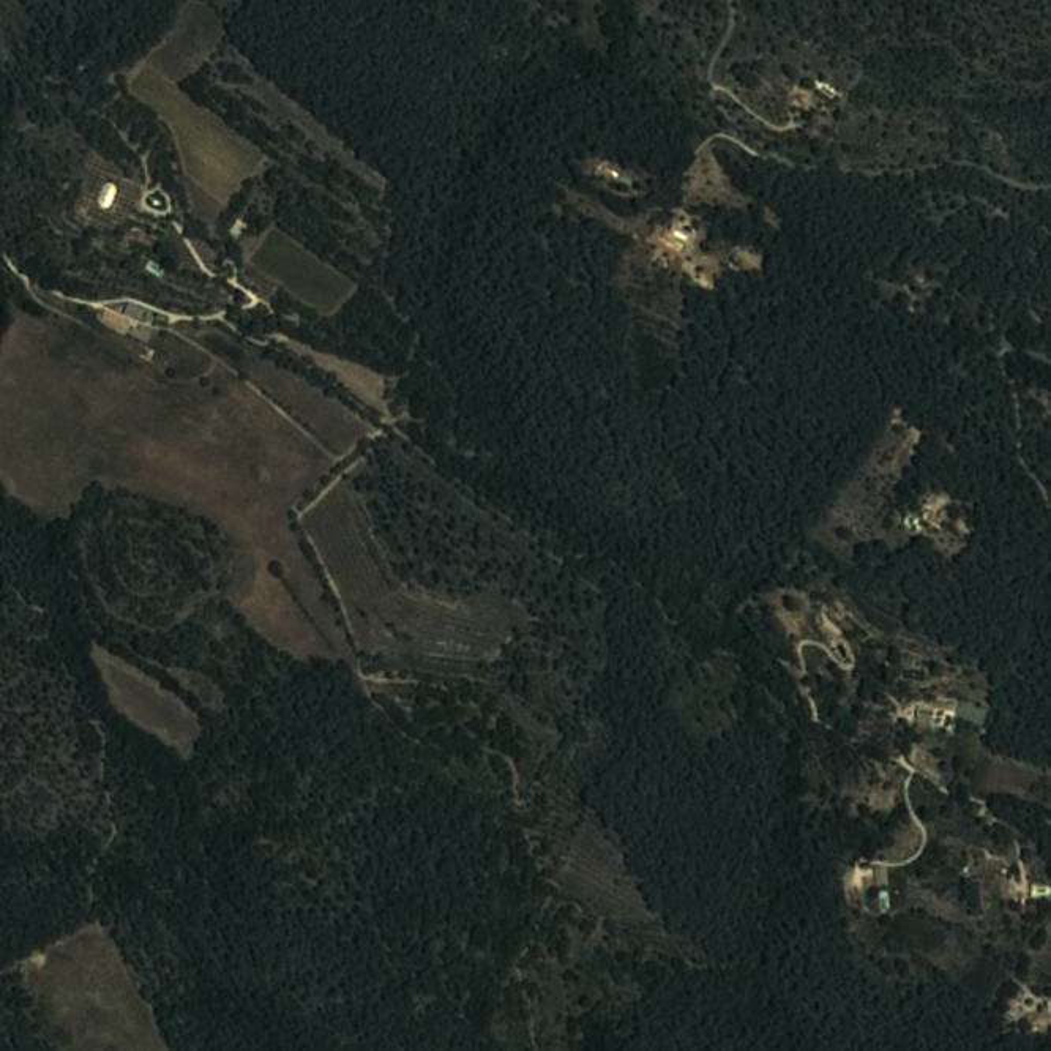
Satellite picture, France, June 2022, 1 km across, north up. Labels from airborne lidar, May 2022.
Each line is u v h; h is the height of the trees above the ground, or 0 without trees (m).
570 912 10
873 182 12
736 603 8
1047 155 9
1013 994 11
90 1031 0
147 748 16
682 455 19
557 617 13
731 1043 21
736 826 14
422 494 12
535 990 8
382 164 15
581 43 13
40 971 0
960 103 7
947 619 22
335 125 17
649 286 8
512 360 21
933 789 9
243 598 0
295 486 0
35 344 0
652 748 18
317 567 6
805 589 19
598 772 6
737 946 14
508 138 22
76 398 0
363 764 13
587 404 11
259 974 6
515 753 11
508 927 11
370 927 16
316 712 13
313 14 15
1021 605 19
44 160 6
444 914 18
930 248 14
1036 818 15
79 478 0
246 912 12
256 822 9
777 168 9
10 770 14
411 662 0
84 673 15
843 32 8
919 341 22
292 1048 9
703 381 11
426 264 20
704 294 11
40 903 15
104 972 0
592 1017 10
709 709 7
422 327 16
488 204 13
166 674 9
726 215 22
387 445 12
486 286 17
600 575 14
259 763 9
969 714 0
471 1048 10
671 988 15
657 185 19
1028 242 14
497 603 0
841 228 14
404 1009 12
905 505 7
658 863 6
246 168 0
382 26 18
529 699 9
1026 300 14
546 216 8
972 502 21
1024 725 12
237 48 18
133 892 13
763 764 12
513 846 7
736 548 20
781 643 17
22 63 11
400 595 0
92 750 14
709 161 0
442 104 18
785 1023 7
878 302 19
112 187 0
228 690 10
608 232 19
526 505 9
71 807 13
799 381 20
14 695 10
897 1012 16
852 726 11
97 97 13
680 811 15
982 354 21
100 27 17
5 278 10
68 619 11
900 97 12
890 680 18
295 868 9
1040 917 9
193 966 9
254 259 0
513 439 11
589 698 11
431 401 7
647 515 13
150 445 0
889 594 24
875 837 7
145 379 0
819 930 19
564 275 9
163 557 8
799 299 18
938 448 23
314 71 19
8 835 10
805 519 28
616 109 17
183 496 0
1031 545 19
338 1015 12
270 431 0
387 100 15
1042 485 19
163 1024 14
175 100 0
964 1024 22
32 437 0
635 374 13
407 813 7
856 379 20
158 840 13
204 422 0
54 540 13
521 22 19
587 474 13
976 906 17
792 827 15
